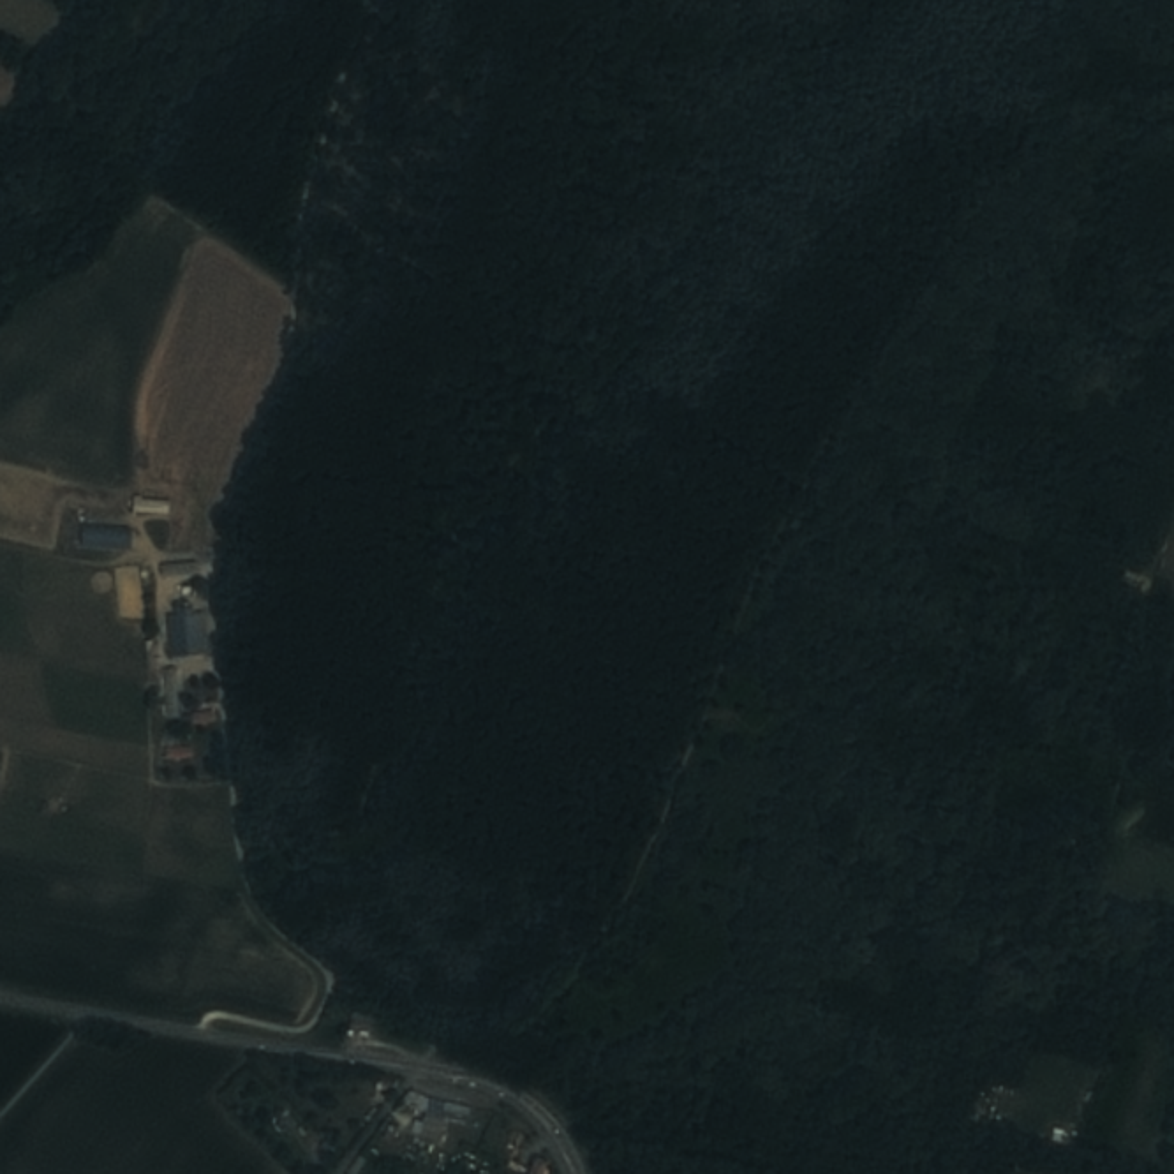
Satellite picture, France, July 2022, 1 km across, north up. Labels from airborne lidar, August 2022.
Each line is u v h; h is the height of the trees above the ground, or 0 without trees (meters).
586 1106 21
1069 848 16
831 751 23
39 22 0
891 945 32
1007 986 34
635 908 8
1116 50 17
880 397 17
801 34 23
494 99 27
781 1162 11
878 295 22
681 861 16
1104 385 20
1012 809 7
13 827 0
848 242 26
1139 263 30
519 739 26
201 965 0
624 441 18
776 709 10
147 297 0
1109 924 26
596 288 19
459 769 25
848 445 14
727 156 20
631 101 19
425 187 29
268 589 26
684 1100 18
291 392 28
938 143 25
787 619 17
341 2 33
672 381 23
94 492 0
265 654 27
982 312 27
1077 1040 22
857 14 23
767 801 13
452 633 31
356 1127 7
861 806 28
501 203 29
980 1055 24
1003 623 16
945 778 26
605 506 24
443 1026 19
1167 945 16
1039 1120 0
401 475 31
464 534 34
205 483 0
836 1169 10
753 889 12
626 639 24
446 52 24
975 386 19
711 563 24
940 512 21
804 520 12
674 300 22
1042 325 21
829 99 19
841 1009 17
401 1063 0
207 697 0
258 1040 0
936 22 23
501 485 31
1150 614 16
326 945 18
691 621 24
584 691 24
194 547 0
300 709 26
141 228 0
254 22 30
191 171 30
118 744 0
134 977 0
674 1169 28
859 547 22
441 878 20
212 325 0
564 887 16
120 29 25
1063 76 22
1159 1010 27
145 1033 12
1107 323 14
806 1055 19
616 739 24
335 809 24
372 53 28
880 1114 20
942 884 26
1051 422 19
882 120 18
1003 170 21
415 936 24
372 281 12
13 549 0
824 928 24
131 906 0
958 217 26
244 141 28
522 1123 0
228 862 0
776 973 19
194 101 31
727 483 26
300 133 24
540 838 27
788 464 23
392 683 33
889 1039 16
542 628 26
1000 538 19
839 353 24
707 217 18
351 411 32
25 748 0
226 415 0
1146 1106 0
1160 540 19
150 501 0
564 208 21
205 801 0
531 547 26
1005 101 22
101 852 0
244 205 28
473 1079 0
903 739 20
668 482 24
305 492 32
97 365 0
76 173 18
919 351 18
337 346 32
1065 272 24
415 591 33
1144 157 15
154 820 0
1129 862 0
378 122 29
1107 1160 21
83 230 13
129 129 26
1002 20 19
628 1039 6
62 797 0
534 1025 22
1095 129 28
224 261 0
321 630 29
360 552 30
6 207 22
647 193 20
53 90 26
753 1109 26
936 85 24
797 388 23
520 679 24
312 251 30
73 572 0
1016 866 26
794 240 20
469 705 27
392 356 33
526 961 28
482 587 32
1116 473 22
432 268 31
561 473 28
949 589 17
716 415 26
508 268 32
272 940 0
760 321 25
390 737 34
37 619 0
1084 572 17
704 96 21
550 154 31
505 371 34
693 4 17
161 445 0
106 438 0
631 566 28
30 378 0
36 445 0
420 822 32
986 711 17
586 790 23
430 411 30
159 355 0
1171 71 16
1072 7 17
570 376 19
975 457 24
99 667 0
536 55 30
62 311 0
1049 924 24
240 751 26
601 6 27
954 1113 14
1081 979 22
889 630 24
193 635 0
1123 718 22
